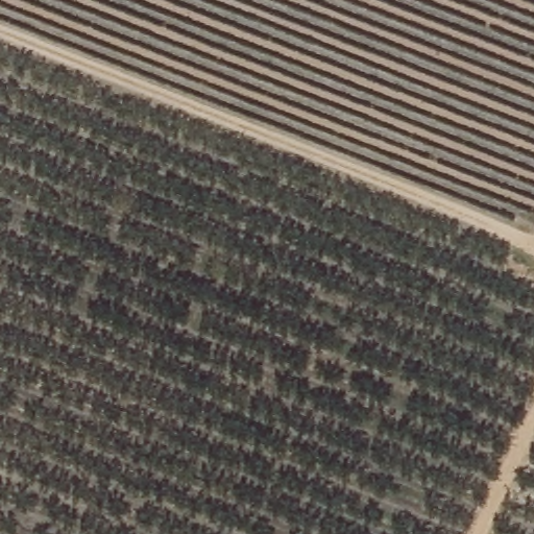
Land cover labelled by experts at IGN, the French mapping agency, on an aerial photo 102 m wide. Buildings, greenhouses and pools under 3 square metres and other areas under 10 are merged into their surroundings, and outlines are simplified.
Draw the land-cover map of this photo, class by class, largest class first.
<instances>
[{"label":"deciduous trees","instance_id":"1","mask_svg":"<svg viewBox=\"0 0 534 534\"><path fill-rule=\"evenodd\" d=\"M511 244L507 240H501L484 229L467 227L465 223L440 215L436 211L411 204L409 200L392 192L373 190L363 181L315 165L298 154L277 150L238 131H229L204 119L192 117L186 111L154 104L152 100L136 94H117L108 83L94 79L92 75L46 60L44 56H38L29 50L17 48L0 40V534H469L478 509L484 505L488 496L490 482L499 478L501 459L511 444V434L524 421L526 407L534 398V286L528 280L515 277L513 271L507 267L505 261ZM35 505H42L46 509V521L38 524L35 528L21 526L15 517L23 511H31V507ZM515 515H521L526 519L534 517V442L530 446V459L524 467H517L515 480L505 490L501 511L494 515L492 528L496 534H526V530H521L517 524H511L509 519Z\"/></svg>","mask_w":534,"mask_h":534},{"label":"vineyard","instance_id":"2","mask_svg":"<svg viewBox=\"0 0 534 534\"><path fill-rule=\"evenodd\" d=\"M0 21L23 31H29L38 38H44L48 42L77 50L96 60L136 73L159 86L177 90L213 106L225 108L229 113L275 127L321 148L350 156L359 163L371 165L421 188L440 192L448 198L492 213L505 221L515 219L511 213L513 207L534 215V0H0Z\"/></svg>","mask_w":534,"mask_h":534},{"label":"pervious surface","instance_id":"3","mask_svg":"<svg viewBox=\"0 0 534 534\"><path fill-rule=\"evenodd\" d=\"M0 40L17 48L29 50L38 56H44L46 60L92 75L94 79L108 83L117 94H136L152 100L154 104L186 111L192 117L204 119L229 131H238L277 150L298 154L315 165L363 181L373 190L392 192L409 200L411 204L436 211L440 215L465 223L467 227L484 229L501 240H507L511 244L505 261L507 267L513 271L515 277L528 280L534 286V215L513 207L511 213L515 219L505 221L492 213L448 198L440 192L421 188L371 165L359 163L350 156L321 148L275 127L229 113L225 108L213 106L177 90L159 86L136 73L96 60L77 50L48 42L44 38H38L29 31H23L0 21ZM534 442V398L526 407L524 421L511 434V444L501 459L499 478L490 482L488 496L484 505L478 509L469 534H496L492 528L494 515L501 511L505 490L515 480L517 467H524L530 459V446Z\"/></svg>","mask_w":534,"mask_h":534},{"label":"plowed land","instance_id":"4","mask_svg":"<svg viewBox=\"0 0 534 534\"><path fill-rule=\"evenodd\" d=\"M46 509L42 505H35L31 507V511H23L15 517L21 526L35 528L38 524L46 521ZM511 524H517L521 530H526V534H534V517L526 519L521 515H515L509 519Z\"/></svg>","mask_w":534,"mask_h":534}]
</instances>
